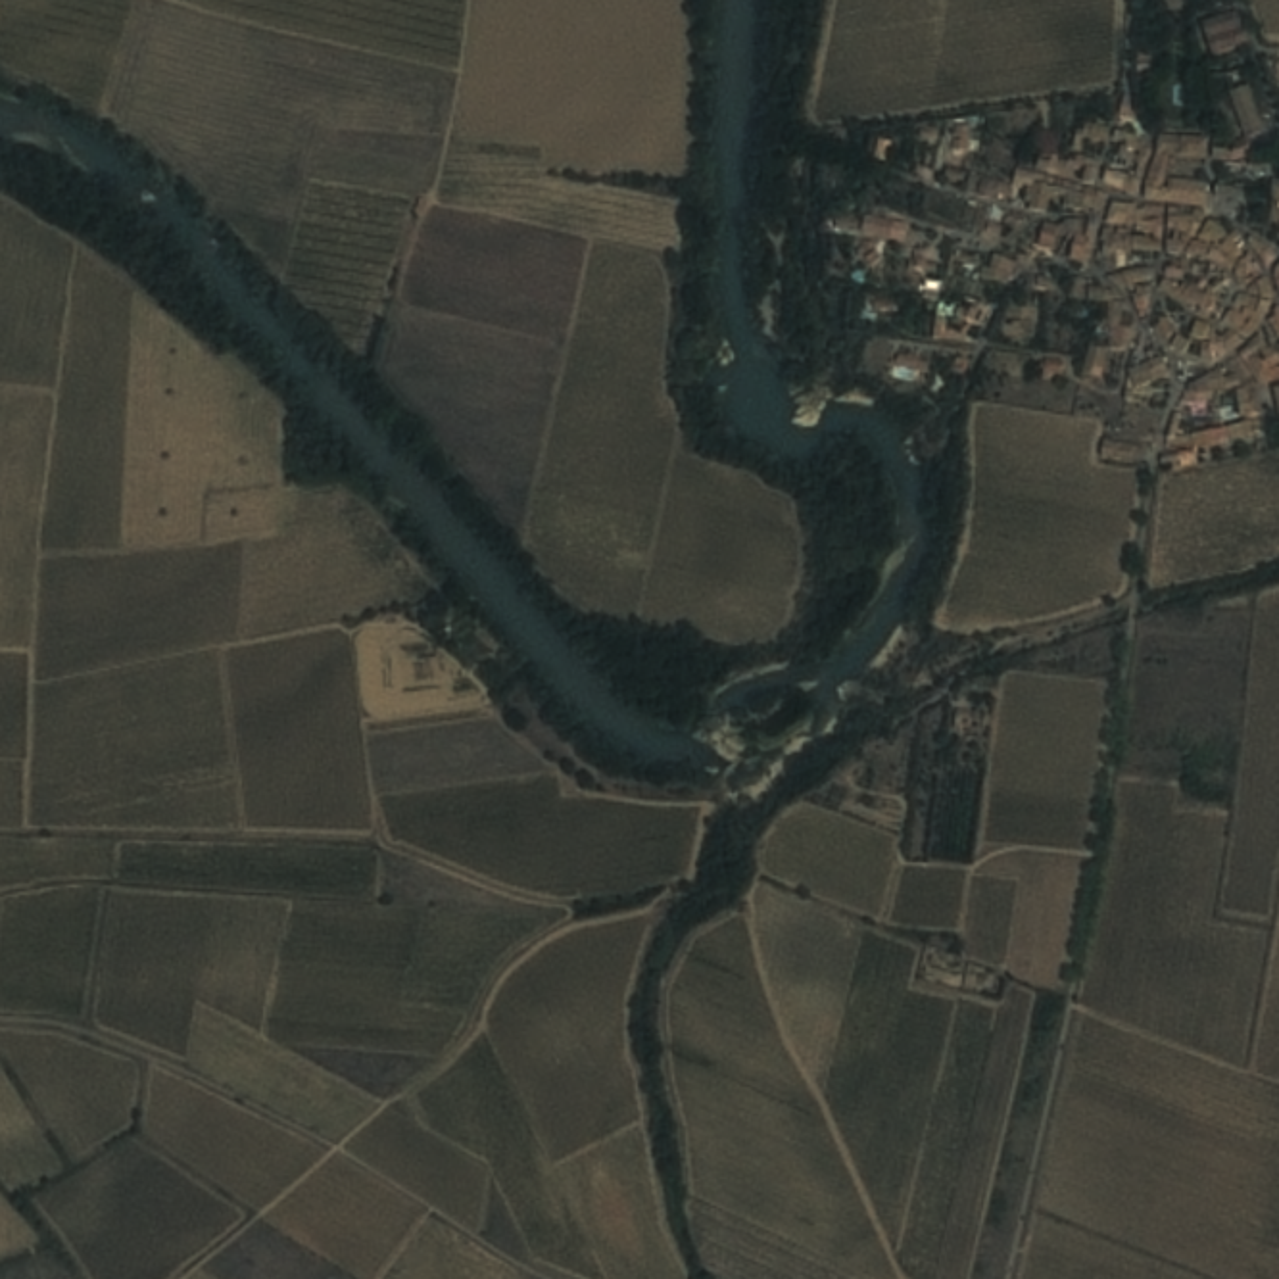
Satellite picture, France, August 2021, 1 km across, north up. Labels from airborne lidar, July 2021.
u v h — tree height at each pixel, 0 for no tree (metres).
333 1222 0
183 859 0
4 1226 0
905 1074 0
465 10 0
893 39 0
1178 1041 0
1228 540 0
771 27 19
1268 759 0
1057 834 0
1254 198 12
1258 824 0
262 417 0
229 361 0
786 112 18
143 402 0
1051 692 0
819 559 7
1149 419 0
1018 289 8
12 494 0
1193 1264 0
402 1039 0
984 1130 0
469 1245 0
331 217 0
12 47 0
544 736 0
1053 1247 0
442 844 0
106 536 0
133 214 12
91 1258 0
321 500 0
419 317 0
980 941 0
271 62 0
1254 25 21
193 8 0
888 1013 0
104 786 0
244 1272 0
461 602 11
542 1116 0
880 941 0
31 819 0
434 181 0
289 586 0
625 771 25
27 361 0
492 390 0
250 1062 0
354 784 0
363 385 19
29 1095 0
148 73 0
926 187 9
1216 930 0
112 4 0
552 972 0
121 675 0
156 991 0
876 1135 0
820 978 0
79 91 0
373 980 0
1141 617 9
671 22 0
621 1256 0
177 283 21
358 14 0
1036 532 0
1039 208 0
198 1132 0
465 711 0
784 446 0
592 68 0
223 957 0
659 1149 9
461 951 0
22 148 9
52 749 0
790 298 10
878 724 9
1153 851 0
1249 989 0
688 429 11
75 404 0
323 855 0
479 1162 0
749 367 0
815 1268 0
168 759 0
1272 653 0
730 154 0
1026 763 0
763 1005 0
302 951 0
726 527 0
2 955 0
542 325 0
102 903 0
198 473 0
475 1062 0
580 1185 0
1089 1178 0
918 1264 0
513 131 0
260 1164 0
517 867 0
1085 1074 0
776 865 0
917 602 16
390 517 8
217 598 0
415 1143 0
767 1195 0
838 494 17
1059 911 0
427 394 0
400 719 0
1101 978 0
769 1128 0
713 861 14
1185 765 6
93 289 0
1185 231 0
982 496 0
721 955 0
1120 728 13
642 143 0
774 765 0
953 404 12
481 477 0
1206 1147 0
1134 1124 0
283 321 21
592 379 0
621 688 20
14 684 0
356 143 0
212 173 0
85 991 0
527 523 0
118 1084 0
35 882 0
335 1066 0
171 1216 0
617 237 0
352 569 0
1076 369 7
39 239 0
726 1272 0
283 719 0
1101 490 0
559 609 8
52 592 0
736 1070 0
